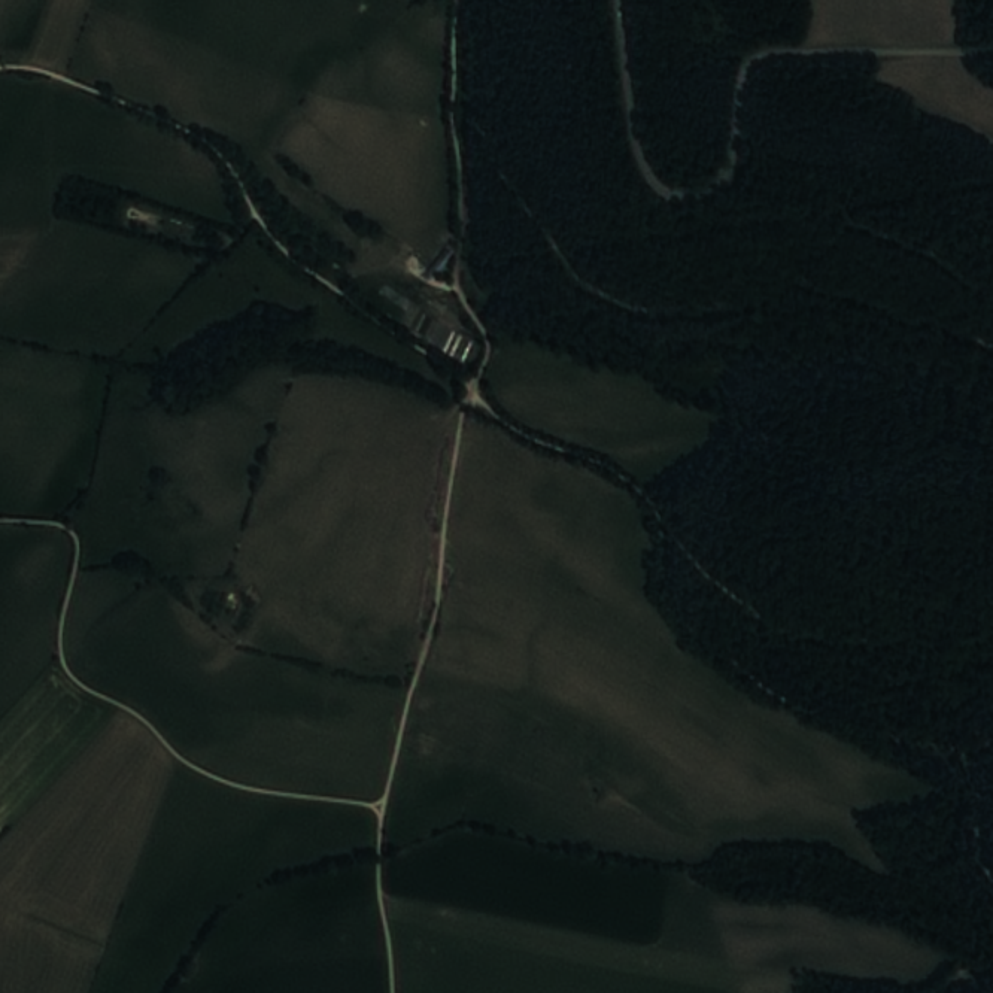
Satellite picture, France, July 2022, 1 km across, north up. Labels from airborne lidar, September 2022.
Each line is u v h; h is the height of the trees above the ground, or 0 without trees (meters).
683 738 0
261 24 0
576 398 0
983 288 14
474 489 0
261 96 0
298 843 0
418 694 0
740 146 17
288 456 0
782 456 18
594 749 0
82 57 0
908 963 0
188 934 0
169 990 11
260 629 0
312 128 0
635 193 16
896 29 0
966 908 12
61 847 0
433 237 0
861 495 27
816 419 29
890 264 22
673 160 19
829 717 18
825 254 22
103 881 0
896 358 25
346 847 0
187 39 0
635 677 0
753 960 0
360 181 0
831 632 12
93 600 0
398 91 0
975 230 15
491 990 0
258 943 0
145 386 0
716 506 27
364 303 15
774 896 15
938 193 10
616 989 0
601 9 17
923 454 33
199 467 0
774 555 20
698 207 21
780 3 15
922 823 21
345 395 0
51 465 0
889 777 0
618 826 0
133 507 0
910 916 9
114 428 0
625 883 0
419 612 0
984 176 13
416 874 0
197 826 0
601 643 0
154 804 0
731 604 12
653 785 0
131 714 0
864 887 12
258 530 0
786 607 20
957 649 21
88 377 0
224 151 22
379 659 0
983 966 7
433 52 0
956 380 27
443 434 0
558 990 0
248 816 0
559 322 24
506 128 23
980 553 20
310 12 0
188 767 0
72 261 0
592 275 17
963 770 36
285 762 0
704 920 0
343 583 0
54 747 0
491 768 0
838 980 12
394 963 0
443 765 0
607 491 0
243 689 0
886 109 16
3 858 0
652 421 0
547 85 16
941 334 21
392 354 0
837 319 24
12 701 0
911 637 20
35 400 0
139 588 9
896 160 16
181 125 14
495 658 0
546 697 0
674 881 0
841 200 9
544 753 0
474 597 0
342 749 0
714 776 0
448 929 0
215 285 0
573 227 19
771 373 31
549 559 0
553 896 0
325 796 0
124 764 0
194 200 0
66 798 0
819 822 0
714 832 0
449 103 16
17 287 0
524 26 18
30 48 0
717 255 23
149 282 0
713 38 7
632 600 0
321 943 0
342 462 0
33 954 0
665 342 22
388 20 0
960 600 20
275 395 0
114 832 0
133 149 0
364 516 0
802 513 21
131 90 0
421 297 0
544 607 0
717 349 26
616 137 19
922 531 22
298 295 0
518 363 0
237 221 13
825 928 0
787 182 20
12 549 0
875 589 19
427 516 0
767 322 27
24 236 0
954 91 0
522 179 25
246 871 0
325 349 17
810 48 0
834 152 16
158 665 0
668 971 0
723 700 0
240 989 0
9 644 0
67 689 0
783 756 0
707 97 18
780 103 16
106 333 0
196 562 0
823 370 31
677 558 24
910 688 22
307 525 0
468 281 0
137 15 0
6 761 0
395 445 0
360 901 0
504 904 0
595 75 19
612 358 18
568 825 0
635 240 11
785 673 15
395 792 0
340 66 0
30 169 0
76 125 0
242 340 20
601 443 0
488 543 0
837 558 15
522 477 0
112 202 6
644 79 18
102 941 0
